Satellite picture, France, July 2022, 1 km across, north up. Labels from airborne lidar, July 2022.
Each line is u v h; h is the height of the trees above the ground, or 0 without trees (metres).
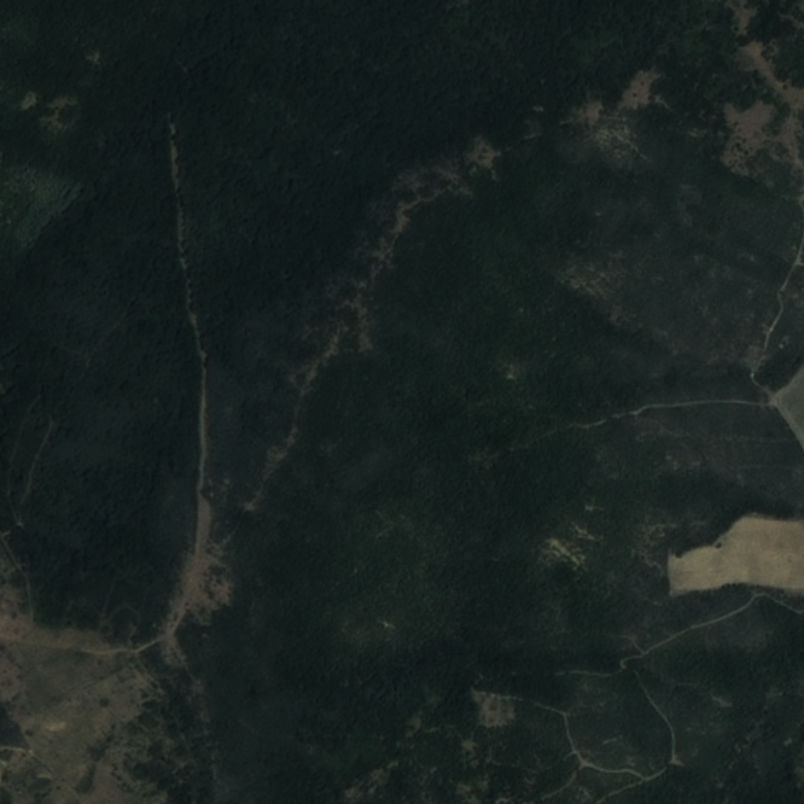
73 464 9
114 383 8
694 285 0
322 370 6
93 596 0
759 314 0
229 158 8
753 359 0
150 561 8
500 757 9
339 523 7
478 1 8
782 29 7
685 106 8
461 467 11
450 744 11
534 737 7
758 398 0
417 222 6
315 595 7
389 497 9
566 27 9
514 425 6
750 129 0
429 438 10
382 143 12
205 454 0
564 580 12
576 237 8
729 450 0
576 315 10
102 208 18
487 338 11
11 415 16
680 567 0
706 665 9
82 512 11
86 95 8
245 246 9
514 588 10
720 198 6
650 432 0
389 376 7
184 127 8
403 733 9
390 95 10
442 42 7
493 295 11
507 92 8
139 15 11
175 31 12
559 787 8
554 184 6
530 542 6
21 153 8
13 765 0
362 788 9
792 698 6
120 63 11
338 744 10
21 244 17
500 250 8
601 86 6
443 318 8
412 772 11
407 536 6
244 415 8
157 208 7
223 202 7
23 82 14
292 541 6
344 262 8
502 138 8
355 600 6
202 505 0
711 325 0
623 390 10
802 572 0
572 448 6
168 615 0
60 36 18
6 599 0
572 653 8
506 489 10
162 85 21
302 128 7
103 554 12
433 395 11
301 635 7
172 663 0
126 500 9
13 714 0
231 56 11
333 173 9
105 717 0
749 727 8
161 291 11
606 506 6
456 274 11
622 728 6
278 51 7
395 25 11
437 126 15
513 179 11
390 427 7
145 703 7
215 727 6
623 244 9
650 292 0
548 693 8
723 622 0
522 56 9
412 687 13
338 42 7
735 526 0
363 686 10
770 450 0
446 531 10
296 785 8
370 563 7
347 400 7
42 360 7
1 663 0
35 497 8
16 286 14
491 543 7
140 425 7
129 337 8
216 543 0
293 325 7
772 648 6
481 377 10
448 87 9
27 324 9
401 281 6
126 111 13
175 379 7
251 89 8
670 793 7
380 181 9
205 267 8
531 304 7
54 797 0
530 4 6
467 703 11
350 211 11
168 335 13
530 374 8
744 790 7
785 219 0
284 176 11
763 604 7
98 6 16
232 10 15
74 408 7
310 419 6
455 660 12
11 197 12
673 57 6
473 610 7
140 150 10
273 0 10
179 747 6
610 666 6
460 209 7
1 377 14
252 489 0
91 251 6
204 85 13
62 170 8
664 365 0
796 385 0
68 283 10
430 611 6
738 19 0
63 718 0
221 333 10
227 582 0
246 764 6
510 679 8
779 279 0
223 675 7
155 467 6
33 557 11
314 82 11
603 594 6
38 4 10
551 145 8
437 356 7
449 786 8
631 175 9
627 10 8
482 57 6
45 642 0
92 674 0
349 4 8
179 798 9
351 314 6
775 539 0
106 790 0
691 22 8
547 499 7
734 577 0
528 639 7
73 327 9
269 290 10
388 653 10
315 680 17
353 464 7
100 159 8
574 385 13
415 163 7
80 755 0
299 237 11
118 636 6
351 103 10
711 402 0
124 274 10
